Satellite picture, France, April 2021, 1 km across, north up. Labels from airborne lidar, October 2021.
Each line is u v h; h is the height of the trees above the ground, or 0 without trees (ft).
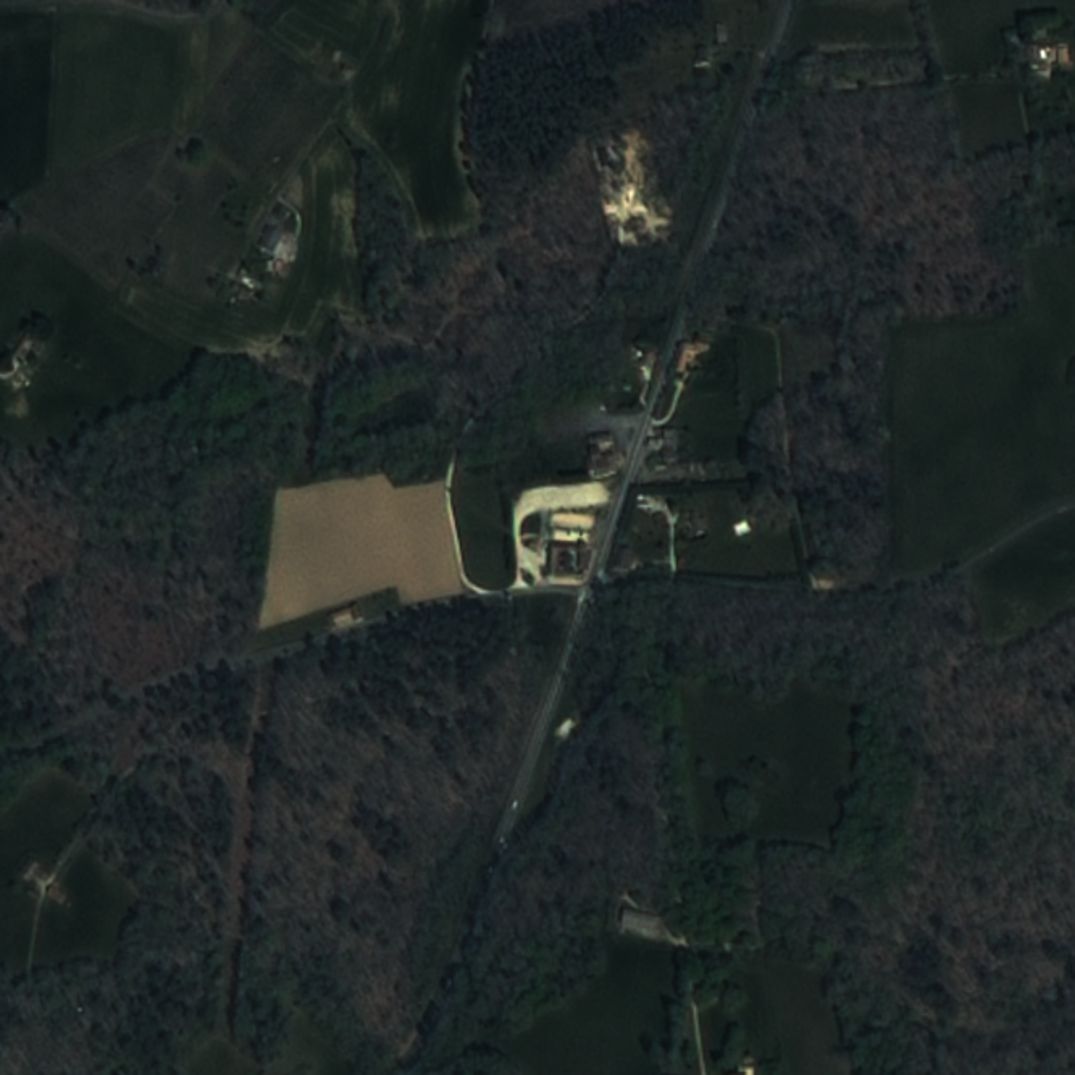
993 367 0
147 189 0
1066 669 39
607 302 66
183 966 58
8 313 0
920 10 37
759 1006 0
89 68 0
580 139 66
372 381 74
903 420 0
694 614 86
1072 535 0
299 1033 0
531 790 0
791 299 79
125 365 0
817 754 0
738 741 0
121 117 0
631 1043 0
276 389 85
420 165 0
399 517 0
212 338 0
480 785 66
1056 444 0
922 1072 54
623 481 0
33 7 0
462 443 43
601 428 0
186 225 0
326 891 47
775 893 72
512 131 73
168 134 0
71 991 68
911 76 47
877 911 55
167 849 104
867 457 96
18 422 0
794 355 0
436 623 82
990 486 0
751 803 58
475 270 71
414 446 64
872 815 48
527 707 52
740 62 26
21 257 0
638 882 68
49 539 24
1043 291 0
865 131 34
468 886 68
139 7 37
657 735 73
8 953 0
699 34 38
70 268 0
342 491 0
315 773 46
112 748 41
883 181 29
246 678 39
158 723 66
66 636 62
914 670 45
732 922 42
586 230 44
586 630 53
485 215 30
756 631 63
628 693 76
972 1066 70
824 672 62
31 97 0
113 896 0
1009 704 45
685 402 0
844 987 51
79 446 52
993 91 0
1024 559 0
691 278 0
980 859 79
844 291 70
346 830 48
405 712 103
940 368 0
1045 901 56
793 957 44
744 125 0
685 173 69
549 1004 74
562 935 65
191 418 52
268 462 63
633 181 0
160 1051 84
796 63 39
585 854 70
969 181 70
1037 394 0
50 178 0
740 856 74
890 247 40
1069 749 66
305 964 75
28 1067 60
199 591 64
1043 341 0
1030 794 68
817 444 39
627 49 72
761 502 46
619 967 0
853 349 52
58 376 0
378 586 0
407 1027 45
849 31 0
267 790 56
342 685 94
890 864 76
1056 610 0
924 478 0
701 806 0
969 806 40
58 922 0
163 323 0
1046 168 51
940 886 45
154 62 0
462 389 61
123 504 73
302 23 0
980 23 0
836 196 43
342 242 0
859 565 64
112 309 0
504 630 60
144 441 60
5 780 69
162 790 46
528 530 0
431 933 65
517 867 83
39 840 0
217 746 59
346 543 0
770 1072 29
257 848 61
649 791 73
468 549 0
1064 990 56
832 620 50
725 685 43
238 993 52
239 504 35
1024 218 50
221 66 0
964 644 53
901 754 49
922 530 0
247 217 18
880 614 59
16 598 36
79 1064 70
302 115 0
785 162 39
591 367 88
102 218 0
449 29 0
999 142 0
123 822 93
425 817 68
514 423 64
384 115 0
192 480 65
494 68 69
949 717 37
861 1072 56
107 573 24
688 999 61
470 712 58
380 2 68
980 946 60
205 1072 0
